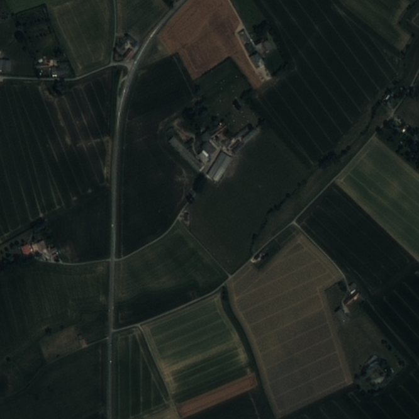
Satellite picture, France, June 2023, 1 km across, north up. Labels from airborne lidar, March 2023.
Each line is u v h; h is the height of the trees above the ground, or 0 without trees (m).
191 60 0
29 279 0
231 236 0
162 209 0
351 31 0
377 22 0
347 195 0
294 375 0
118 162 0
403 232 0
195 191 15
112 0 0
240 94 0
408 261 0
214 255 0
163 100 0
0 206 0
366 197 0
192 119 7
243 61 0
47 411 0
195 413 0
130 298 0
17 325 0
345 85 0
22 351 0
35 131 0
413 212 0
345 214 0
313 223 0
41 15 0
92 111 0
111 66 0
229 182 0
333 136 0
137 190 0
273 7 0
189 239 0
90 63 0
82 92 0
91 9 0
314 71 0
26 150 0
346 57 0
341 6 0
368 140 0
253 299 0
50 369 0
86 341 0
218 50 0
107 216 0
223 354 0
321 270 0
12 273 0
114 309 0
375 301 0
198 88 13
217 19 0
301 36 0
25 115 0
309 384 0
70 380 0
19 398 0
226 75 0
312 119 0
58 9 0
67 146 0
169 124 0
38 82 0
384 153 0
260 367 0
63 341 0
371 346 0
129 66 0
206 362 0
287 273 0
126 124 0
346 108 0
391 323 0
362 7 0
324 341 0
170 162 0
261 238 0
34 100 0
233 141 0
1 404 0
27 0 0
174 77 0
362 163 0
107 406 0
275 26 0
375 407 0
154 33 0
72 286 0
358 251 0
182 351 0
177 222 0
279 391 0
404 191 0
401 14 0
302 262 0
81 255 0
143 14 0
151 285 0
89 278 0
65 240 0
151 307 0
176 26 0
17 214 0
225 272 0
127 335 0
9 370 0
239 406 0
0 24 0
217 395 0
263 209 0
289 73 0
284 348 0
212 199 0
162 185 0
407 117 0
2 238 0
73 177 0
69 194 0
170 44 0
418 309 0
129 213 0
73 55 0
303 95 0
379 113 0
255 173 0
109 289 0
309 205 0
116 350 0
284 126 0
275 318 0
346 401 0
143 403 0
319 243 0
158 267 0
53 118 0
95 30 0
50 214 0
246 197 0
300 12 0
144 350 0
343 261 0
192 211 0
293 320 0
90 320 0
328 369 0
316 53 0
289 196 10
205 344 0
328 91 0
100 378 0
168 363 0
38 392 0
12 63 0
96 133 0
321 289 0
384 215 0
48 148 0
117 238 0
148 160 0
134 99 0
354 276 0
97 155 0
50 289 0
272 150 0
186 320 0
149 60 0
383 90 0
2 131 0
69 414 0
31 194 0
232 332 0
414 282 0
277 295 0
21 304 0
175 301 0
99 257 0
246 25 0
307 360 0
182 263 0
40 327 0
